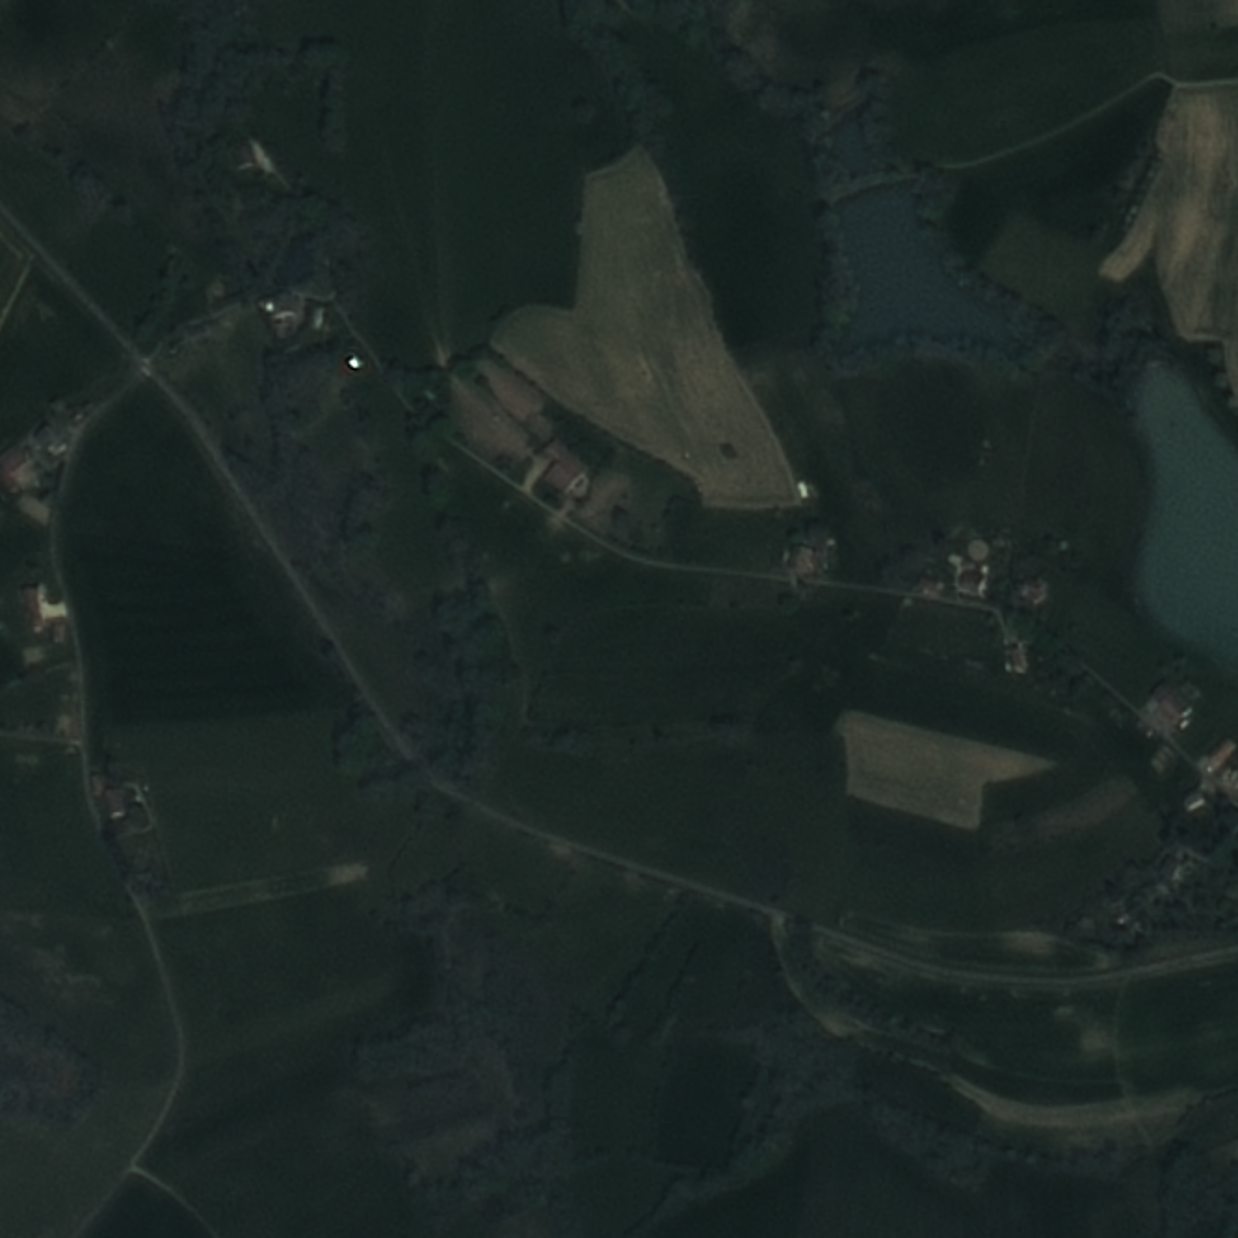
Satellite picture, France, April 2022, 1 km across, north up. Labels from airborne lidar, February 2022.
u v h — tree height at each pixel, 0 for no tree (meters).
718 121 0
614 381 0
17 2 0
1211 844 11
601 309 0
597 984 0
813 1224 0
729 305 0
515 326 0
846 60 0
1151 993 0
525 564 0
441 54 0
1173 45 0
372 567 0
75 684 0
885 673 0
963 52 0
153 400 0
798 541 7
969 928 0
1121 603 0
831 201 24
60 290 0
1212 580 0
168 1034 0
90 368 0
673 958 0
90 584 0
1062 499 0
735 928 0
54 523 0
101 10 0
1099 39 0
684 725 0
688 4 30
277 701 0
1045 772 0
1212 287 0
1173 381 0
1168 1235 15
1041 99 0
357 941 0
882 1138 12
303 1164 0
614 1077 0
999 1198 0
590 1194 0
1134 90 0
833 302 25
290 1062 0
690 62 0
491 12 0
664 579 0
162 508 0
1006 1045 0
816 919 0
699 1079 0
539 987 0
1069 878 0
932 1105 0
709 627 0
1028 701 0
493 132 0
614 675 0
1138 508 0
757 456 0
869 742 0
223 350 0
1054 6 0
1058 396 0
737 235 0
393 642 0
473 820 0
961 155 0
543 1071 0
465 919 0
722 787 0
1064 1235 0
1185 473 0
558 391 0
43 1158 0
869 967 0
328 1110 0
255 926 0
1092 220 0
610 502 0
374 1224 0
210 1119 0
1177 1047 0
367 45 0
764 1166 22
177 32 0
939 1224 0
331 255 18
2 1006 15
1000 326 0
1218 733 0
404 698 0
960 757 0
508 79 0
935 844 0
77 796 0
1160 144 0
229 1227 0
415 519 0
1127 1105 0
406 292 0
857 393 0
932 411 0
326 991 0
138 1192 0
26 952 0
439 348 0
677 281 0
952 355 18
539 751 0
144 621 0
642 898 0
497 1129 0
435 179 0
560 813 0
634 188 0
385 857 0
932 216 24
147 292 0
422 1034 24
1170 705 0
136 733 0
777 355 0
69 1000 0
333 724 0
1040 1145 0
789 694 0
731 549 0
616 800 0
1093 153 0
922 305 0
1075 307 0
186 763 0
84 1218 0
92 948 0
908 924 0
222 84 22
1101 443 0
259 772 0
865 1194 0
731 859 0
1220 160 0
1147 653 0
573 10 19
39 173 0
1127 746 0
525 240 0
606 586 0
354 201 0
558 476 0
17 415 0
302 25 0
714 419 0
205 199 15
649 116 22
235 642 0
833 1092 26
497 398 0
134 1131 0
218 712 0
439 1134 0
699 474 0
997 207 0
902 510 0
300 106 0
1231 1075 0
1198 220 0
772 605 0
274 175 10
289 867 0
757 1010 0
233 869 0
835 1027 0
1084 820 0
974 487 0
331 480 0
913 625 0
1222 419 0
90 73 0
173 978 0
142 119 0
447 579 0
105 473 0
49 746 0
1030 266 0
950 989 0
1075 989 0
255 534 0
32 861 0
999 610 0
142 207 0
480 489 0
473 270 0
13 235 0
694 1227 0
